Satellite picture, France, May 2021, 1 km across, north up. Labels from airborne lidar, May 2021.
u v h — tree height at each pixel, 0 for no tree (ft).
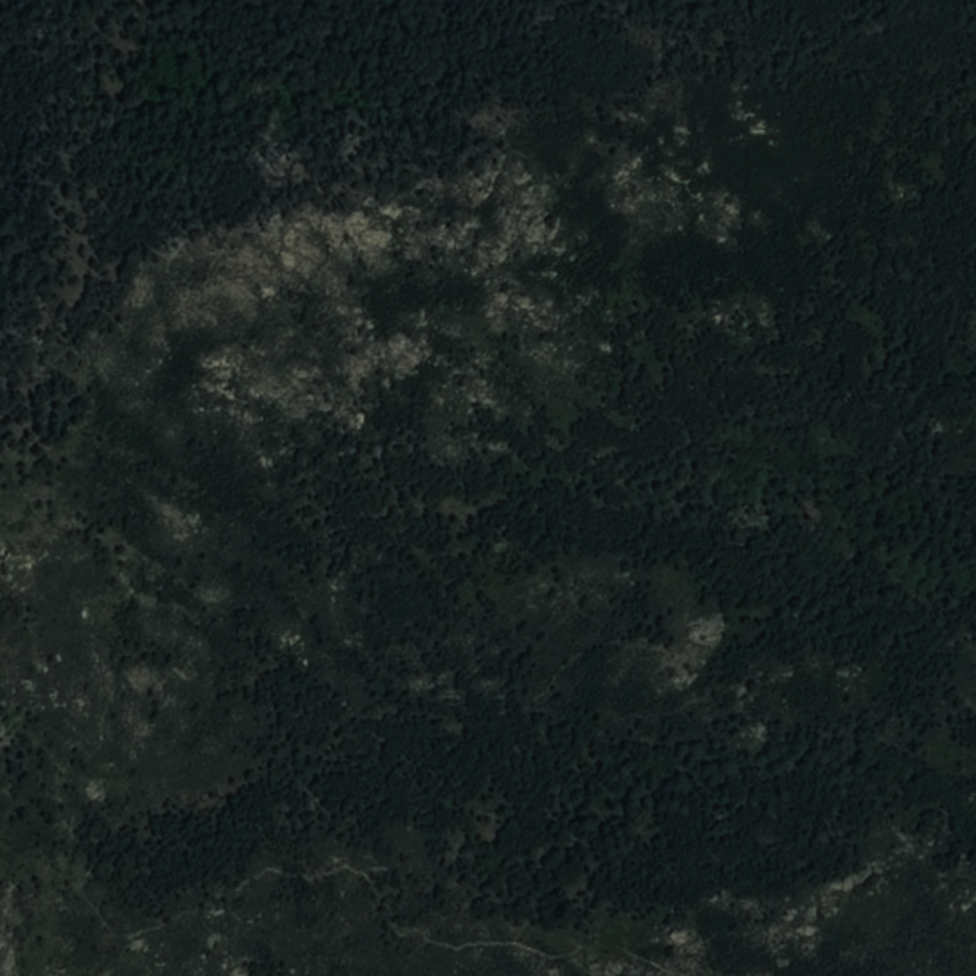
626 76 46
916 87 25
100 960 0
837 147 23
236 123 41
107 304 50
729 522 53
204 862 42
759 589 58
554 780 52
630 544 47
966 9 51
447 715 49
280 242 0
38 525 0
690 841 55
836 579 69
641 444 54
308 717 50
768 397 60
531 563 24
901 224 52
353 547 44
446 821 53
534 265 18
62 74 45
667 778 34
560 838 92
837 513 52
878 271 54
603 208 20
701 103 19
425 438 31
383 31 82
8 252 64
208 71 81
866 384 30
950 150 30
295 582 30
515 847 55
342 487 47
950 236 55
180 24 103
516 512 52
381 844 31
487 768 57
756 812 56
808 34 62
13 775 63
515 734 56
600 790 49
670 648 32
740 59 89
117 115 76
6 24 71
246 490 18
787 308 30
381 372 39
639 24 93
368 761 54
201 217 32
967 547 62
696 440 61
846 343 57
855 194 26
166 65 51
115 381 0
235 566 19
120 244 48
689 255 27
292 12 89
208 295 0
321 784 58
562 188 21
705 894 33
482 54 74
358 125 50
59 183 33
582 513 47
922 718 55
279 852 31
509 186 0
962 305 54
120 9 115
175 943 0
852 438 55
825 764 72
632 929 0
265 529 19
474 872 45
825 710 26
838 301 55
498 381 20
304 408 0
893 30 58
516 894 55
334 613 0
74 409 65
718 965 35
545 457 63
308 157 52
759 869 40
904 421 58
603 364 28
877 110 24
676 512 76
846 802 43
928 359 58
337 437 43
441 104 62
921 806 42
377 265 0
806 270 31
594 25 46
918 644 58
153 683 0
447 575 42
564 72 60
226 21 94
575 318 20
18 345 43
